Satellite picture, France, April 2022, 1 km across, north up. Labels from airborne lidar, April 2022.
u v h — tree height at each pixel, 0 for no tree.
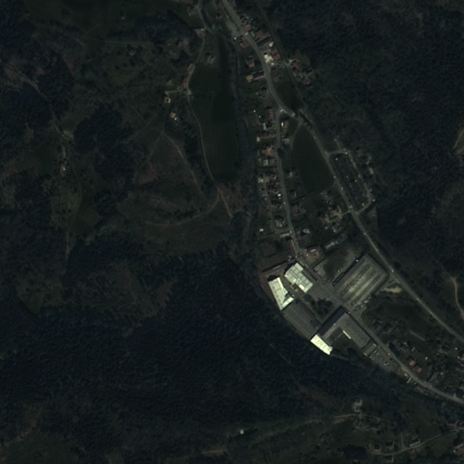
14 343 32
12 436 14
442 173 31
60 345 30
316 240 0
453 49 32
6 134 29
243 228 15
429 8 18
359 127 16
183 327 25
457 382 0
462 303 15
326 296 0
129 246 22
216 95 0
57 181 9
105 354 22
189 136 21
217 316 25
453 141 32
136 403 21
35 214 22
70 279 30
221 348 27
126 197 20
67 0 0
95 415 28
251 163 25
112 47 0
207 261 30
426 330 0
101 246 32
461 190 13
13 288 31
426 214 19
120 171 16
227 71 0
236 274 22
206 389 21
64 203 0
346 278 0
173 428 26
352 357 24
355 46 19
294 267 0
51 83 25
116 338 27
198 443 27
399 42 27
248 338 20
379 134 14
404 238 24
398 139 25
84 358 23
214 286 24
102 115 21
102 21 0
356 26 20
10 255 28
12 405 13
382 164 25
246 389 18
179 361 25
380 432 12
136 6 14
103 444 29
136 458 25
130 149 18
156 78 10
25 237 31
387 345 0
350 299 0
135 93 7
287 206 0
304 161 0
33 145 19
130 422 26
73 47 21
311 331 0
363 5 23
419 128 18
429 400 19
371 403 19
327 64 23
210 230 0
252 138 0
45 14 0
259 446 24
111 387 18
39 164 0
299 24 25
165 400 19
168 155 0
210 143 0
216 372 22
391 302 10
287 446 22
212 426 26
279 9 24
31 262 21
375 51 18
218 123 0
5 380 17
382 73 28
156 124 0
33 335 33
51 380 28
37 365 20
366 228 0
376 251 0
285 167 0
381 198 13
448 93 34
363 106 24
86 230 0
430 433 0
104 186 0
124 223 25
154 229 0
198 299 23
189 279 30
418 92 34
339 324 0
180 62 12
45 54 20
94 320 32
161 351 29
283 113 0
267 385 21
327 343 0
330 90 24
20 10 35
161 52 17
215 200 0
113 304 7
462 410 15
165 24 24
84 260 34
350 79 22
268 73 0
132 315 6
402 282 0
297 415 24
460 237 19
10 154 25
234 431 17
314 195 0
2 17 28
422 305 0
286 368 22
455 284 0
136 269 6
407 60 32
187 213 7
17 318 31
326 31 23
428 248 19
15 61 20
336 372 27
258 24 9
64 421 31
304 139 0
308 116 0
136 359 25
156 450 25
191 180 0
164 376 30
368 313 0
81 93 7
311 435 20
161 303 0
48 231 24
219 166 0
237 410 18
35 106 37
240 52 0
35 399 18
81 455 31
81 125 0
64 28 15
